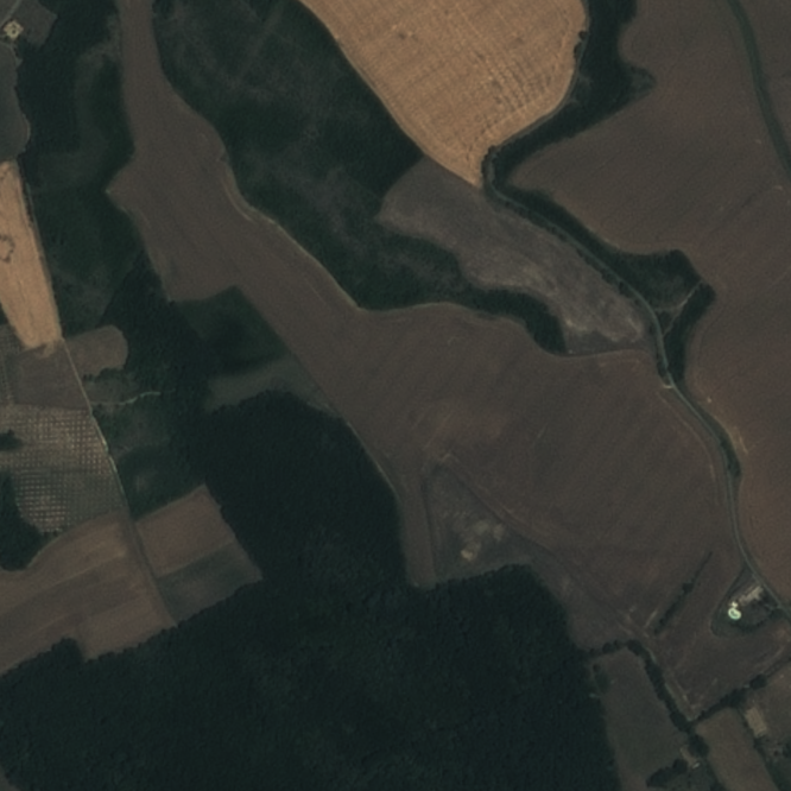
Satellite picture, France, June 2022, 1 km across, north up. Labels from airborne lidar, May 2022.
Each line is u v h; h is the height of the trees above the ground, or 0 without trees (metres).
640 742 0
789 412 0
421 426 0
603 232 0
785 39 0
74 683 17
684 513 0
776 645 0
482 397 0
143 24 0
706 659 0
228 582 0
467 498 0
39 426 0
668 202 0
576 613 0
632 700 0
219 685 15
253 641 13
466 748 21
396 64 0
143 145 0
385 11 0
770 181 0
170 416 6
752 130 0
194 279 0
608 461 0
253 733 11
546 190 0
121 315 10
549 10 0
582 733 25
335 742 13
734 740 0
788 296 0
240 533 15
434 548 0
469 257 0
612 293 0
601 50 14
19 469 0
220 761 13
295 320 0
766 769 0
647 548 0
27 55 11
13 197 0
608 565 0
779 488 0
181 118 0
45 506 0
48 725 17
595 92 8
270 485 18
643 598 0
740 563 0
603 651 9
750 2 0
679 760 11
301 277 0
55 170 0
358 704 14
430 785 23
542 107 0
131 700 17
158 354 10
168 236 0
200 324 0
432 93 0
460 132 0
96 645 0
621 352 0
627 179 0
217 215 0
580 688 25
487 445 0
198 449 15
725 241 0
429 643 14
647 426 0
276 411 14
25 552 17
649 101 0
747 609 0
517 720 27
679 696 0
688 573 0
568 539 0
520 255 0
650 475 0
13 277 0
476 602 19
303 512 15
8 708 16
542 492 0
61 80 10
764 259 0
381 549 16
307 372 0
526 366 0
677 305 0
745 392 0
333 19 0
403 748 18
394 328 0
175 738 13
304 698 14
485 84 0
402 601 24
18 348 0
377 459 0
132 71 0
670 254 6
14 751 19
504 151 8
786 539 0
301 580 12
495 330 0
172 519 0
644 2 0
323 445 19
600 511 0
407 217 0
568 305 0
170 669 13
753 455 0
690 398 0
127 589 0
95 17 10
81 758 17
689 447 0
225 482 15
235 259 0
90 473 0
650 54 0
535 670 14
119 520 0
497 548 0
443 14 0
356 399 0
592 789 25
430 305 0
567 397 0
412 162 7
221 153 0
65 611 0
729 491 0
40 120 11
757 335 0
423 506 0
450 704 9
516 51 0
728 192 0
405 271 8
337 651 17
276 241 0
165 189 0
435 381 0
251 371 0
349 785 18
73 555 0
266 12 8
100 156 0
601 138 0
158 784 10
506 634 13
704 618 0
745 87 0
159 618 0
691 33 0
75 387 0
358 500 17
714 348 0
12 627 0
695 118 0
